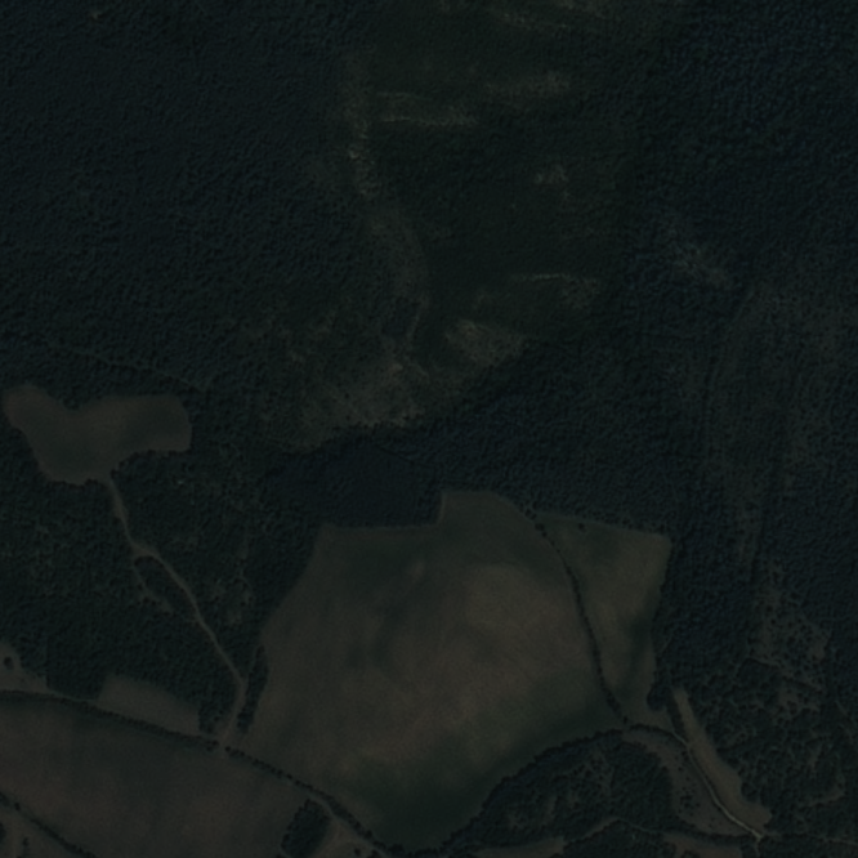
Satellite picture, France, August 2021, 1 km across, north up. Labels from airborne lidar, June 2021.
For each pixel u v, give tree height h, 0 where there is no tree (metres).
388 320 7
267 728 0
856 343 8
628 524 7
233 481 8
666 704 9
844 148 7
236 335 9
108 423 0
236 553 7
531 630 0
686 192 6
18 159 14
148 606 9
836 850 6
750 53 6
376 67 6
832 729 8
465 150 9
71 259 13
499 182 5
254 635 6
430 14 7
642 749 6
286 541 9
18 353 16
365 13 6
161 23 9
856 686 8
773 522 10
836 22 7
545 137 6
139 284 12
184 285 9
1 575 7
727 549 10
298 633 0
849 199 7
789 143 9
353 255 6
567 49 7
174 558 9
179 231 8
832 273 6
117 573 12
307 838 9
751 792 7
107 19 8
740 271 8
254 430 8
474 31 7
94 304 9
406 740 0
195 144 9
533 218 6
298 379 6
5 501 9
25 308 14
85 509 6
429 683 0
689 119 7
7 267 12
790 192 9
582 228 7
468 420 10
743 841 8
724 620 14
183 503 8
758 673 9
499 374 15
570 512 6
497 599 0
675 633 6
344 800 0
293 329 6
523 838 7
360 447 18
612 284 12
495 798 12
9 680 0
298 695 0
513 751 0
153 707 0
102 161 11
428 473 8
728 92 7
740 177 9
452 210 6
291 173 8
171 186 12
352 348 6
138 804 0
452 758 0
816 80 6
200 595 7
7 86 13
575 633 0
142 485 9
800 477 7
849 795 7
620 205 12
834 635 8
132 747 0
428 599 0
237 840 0
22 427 0
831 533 11
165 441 0
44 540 8
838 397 6
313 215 9
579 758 10
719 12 11
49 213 12
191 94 10
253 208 8
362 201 7
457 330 5
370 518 12
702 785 0
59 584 6
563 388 6
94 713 7
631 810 7
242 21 14
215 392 7
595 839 8
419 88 5
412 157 9
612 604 0
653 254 6
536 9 6
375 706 0
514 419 10
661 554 0
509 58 6
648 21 6
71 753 0
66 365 9
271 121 10
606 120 6
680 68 9
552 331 8
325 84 6
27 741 0
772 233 8
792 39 7
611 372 6
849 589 13
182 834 0
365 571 0
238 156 10
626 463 7
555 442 6
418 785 0
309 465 10
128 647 8
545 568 0
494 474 7
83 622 9
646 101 13
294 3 8
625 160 8
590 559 0
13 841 0
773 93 8
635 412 9
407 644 0
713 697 9
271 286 6
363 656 0
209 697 7
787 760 7
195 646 9
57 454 0
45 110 13
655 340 7
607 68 13
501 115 7
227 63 10
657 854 7
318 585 0
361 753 0
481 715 0
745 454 6
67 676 13
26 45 8
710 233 8
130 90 11
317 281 8
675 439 12
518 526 0
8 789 0
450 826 0
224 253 8
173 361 15
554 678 0
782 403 7
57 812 0
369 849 0
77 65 10
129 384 10
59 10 11
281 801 0
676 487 10
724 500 8
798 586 10
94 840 0
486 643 0
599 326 9
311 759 0
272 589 9
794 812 8
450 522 0
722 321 7
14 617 7
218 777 0
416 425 8
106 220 9
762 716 9
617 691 0
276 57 11
